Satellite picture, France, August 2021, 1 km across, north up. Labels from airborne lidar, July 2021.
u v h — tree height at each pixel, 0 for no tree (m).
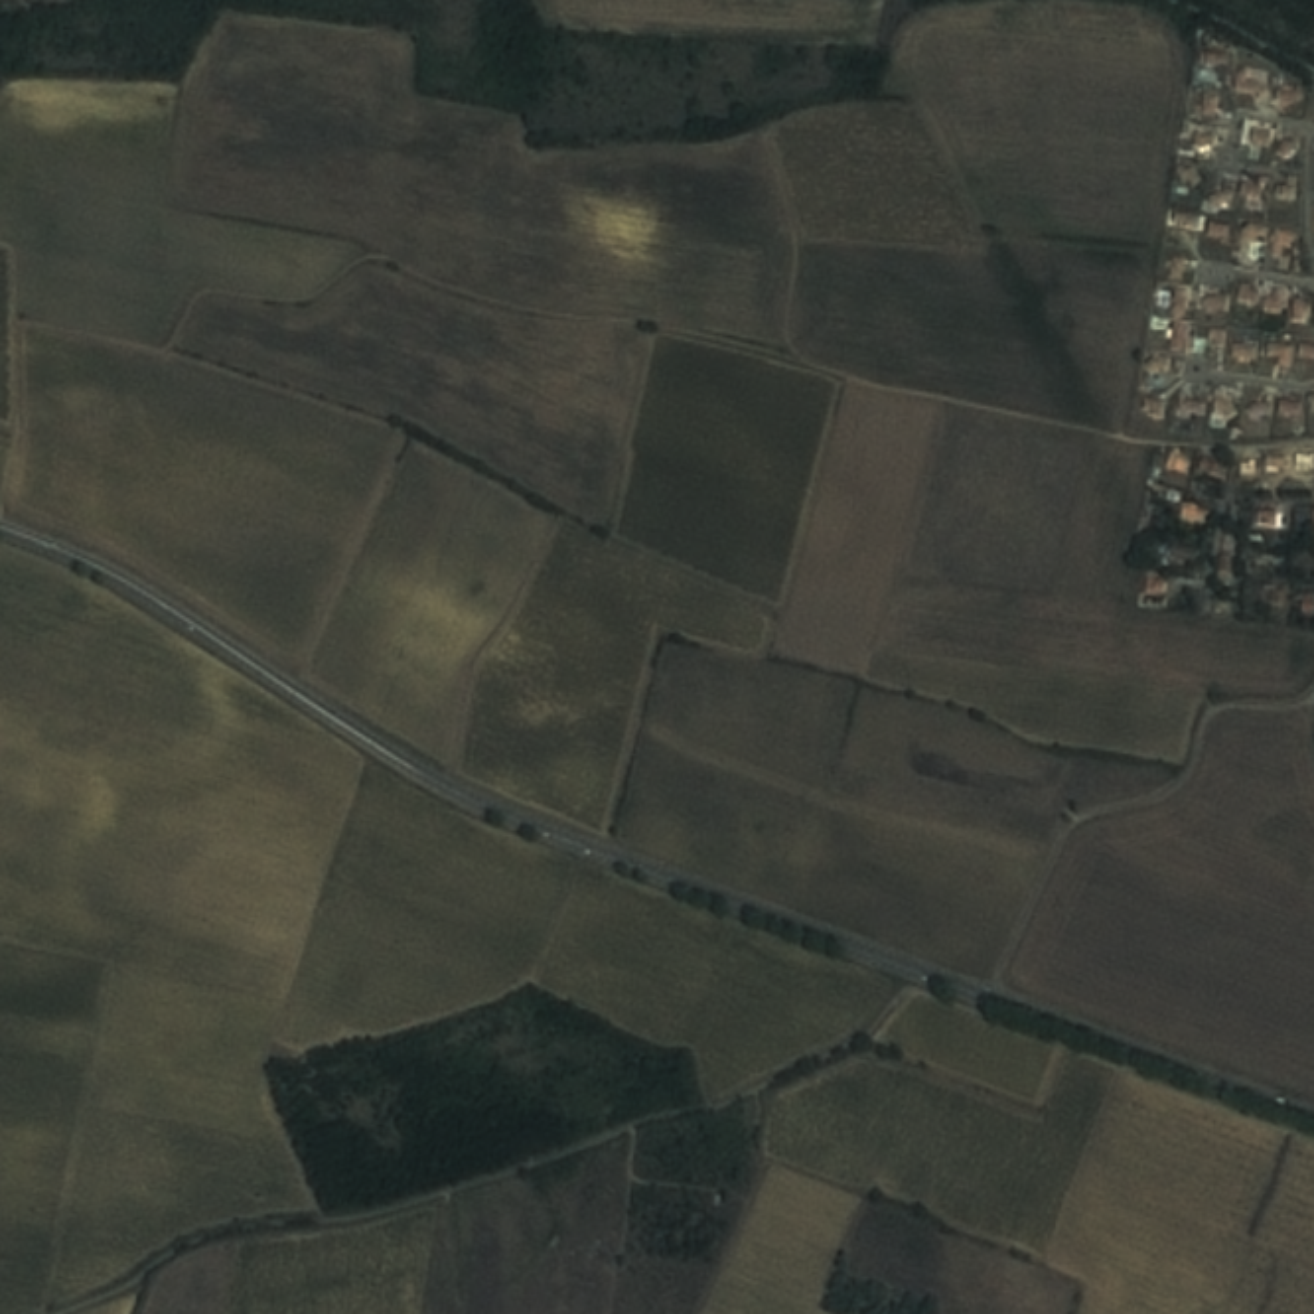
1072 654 0
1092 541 0
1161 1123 0
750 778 0
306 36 0
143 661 0
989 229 8
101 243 0
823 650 0
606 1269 0
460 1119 8
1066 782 0
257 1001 0
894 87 0
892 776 0
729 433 0
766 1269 0
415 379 0
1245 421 0
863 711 0
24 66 9
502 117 0
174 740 0
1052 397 0
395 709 0
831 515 0
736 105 7
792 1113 0
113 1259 0
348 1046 12
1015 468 0
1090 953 0
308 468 0
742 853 0
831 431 0
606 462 0
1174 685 0
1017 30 0
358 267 0
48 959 0
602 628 0
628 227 0
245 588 0
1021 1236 0
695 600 0
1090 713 0
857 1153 0
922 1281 0
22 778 0
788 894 0
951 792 0
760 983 0
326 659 0
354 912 0
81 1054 0
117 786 0
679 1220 6
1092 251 0
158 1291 0
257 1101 0
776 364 0
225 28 0
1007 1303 0
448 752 0
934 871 0
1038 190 0
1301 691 0
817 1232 0
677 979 0
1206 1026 0
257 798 0
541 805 0
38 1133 0
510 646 0
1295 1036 0
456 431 0
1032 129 0
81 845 0
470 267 0
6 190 0
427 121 0
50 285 0
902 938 0
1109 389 0
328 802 0
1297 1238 0
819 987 0
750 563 0
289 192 0
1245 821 0
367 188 0
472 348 0
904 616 0
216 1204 0
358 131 0
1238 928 0
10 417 0
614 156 0
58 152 0
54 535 0
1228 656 0
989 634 0
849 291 0
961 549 0
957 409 0
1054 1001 0
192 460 0
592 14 0
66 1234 0
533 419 0
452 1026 6
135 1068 0
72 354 0
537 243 0
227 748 0
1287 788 0
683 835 0
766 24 0
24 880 0
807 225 0
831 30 0
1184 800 0
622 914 0
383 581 0
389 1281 0
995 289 0
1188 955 0
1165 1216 0
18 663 0
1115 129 0
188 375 0
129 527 0
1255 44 10
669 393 0
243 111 0
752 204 0
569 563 0
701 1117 8
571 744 0
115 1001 0
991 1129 0
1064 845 0
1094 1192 0
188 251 0
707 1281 0
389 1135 9
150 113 0
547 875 0
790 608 0
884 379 0
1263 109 0
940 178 0
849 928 0
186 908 0
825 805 0
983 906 0
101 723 0
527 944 0
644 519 0
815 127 0
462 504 0
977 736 0
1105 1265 0
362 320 0
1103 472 0
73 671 0
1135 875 0
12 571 0
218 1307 0
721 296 0
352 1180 8
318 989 0
